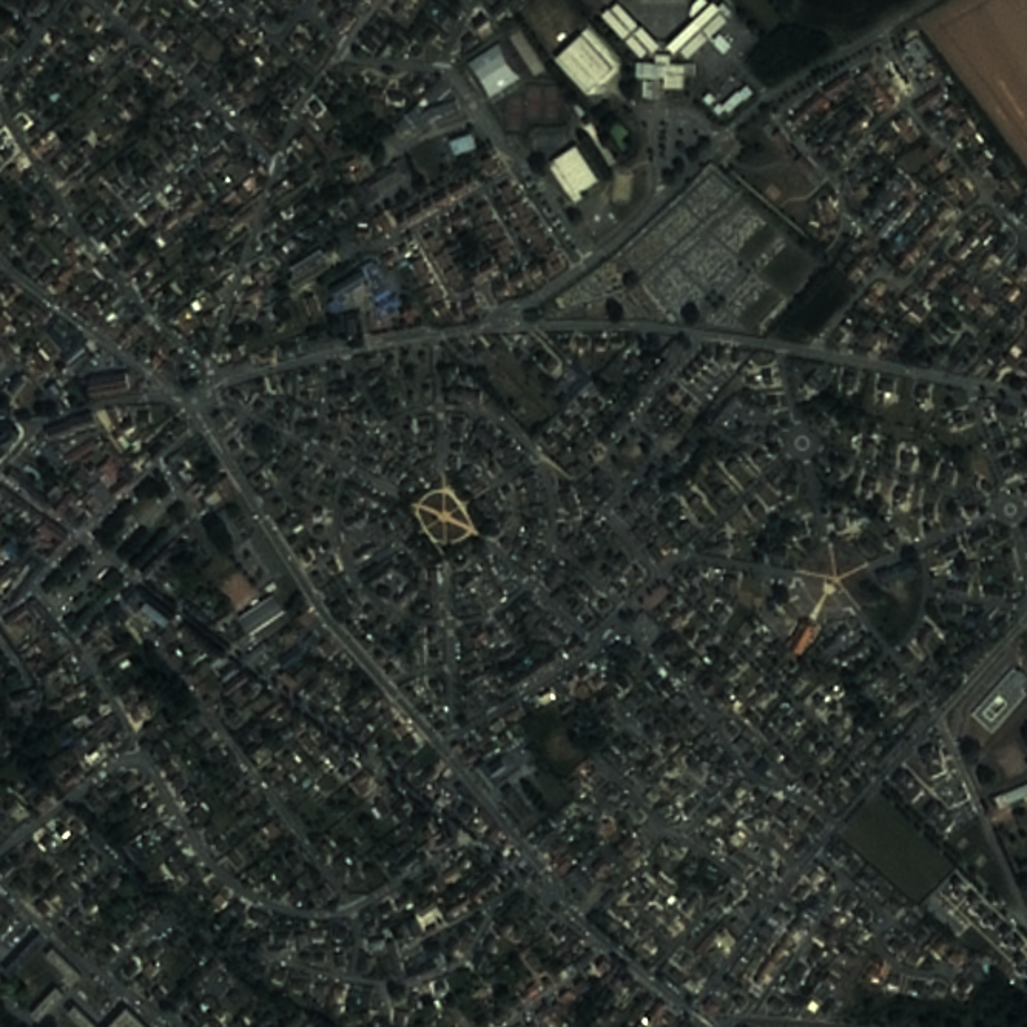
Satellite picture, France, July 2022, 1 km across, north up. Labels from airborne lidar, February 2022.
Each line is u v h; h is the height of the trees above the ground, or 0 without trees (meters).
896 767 0
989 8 0
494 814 0
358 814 0
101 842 0
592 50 0
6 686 9
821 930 0
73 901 0
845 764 0
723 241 0
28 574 0
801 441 0
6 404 11
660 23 0
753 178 0
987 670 0
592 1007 16
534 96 0
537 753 7
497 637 0
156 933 0
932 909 0
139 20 0
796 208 0
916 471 0
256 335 14
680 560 0
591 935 0
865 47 0
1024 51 0
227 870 0
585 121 9
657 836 0
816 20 0
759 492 0
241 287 0
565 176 0
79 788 0
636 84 9
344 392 12
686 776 0
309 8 0
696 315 15
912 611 0
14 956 0
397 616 0
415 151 0
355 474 0
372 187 0
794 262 0
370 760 0
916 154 0
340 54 0
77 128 0
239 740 7
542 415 0
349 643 0
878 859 0
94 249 0
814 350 0
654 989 0
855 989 0
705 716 0
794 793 0
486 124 0
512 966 8
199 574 7
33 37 0
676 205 0
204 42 0
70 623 8
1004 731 0
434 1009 15
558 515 0
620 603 0
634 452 0
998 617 0
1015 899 0
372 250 0
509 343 0
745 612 0
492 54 0
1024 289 0
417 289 0
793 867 0
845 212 0
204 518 0
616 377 0
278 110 11
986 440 0
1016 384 13
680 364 0
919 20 0
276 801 0
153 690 6
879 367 0
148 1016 0
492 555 0
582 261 0
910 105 0
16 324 7
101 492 0
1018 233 0
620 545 0
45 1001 0
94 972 0
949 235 0
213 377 0
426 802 7
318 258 0
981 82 0
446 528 0
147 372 0
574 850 8
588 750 10
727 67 0
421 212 0
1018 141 0
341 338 7
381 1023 6
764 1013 0
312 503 0
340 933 0
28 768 22
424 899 5
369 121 10
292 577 0
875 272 0
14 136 0
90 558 6
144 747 7
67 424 0
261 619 0
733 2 0
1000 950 0
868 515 11
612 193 0
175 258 0
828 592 0
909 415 0
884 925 0
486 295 0
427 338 0
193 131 7
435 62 0
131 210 0
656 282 0
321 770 0
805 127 0
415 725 0
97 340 0
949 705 0
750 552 0
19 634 0
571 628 0
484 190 0
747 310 0
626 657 6
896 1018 16
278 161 0
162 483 8
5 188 12
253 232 0
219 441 0
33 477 9
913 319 0
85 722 0
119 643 11
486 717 0
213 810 0
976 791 0
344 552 0
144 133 6
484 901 6
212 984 0
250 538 0
